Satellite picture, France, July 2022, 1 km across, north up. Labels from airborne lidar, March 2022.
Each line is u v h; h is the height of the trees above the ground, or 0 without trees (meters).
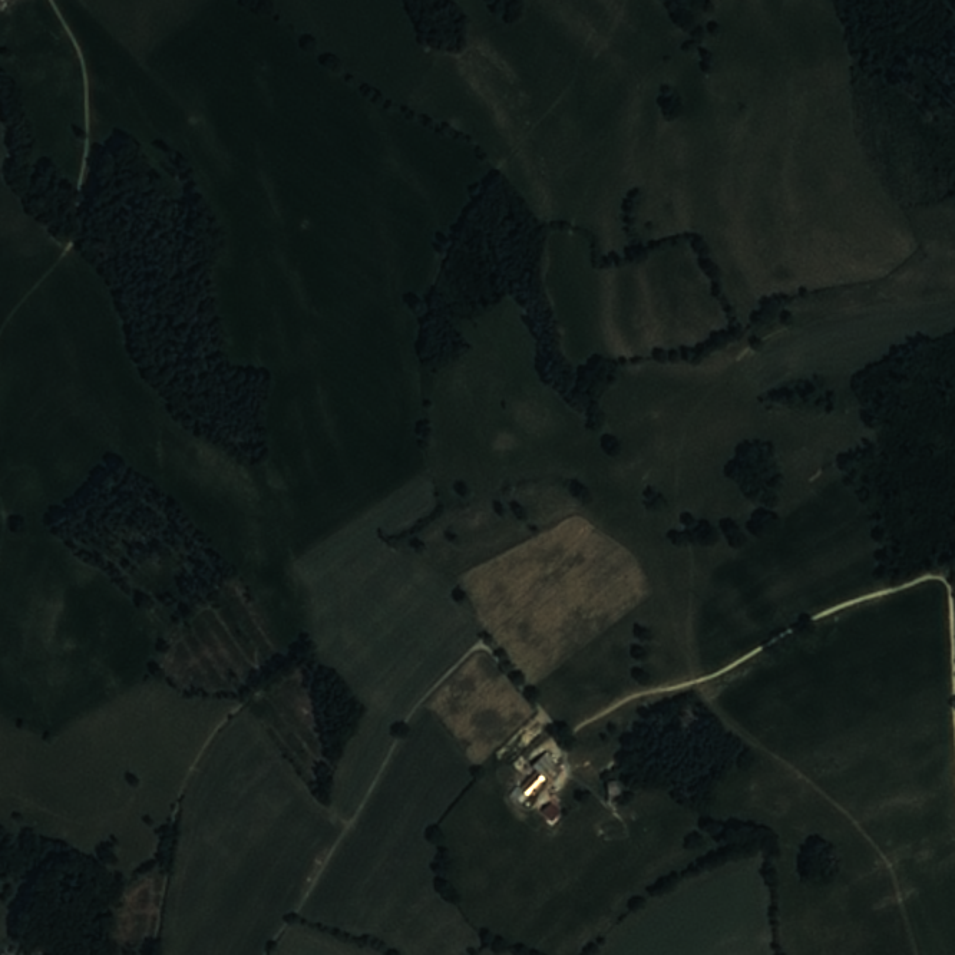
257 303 0
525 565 0
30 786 0
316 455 0
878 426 22
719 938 0
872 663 0
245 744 0
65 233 20
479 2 0
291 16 0
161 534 24
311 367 0
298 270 0
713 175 0
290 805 0
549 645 0
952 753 0
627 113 0
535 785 0
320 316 0
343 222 0
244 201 0
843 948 0
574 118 0
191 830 0
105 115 0
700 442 0
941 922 0
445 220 0
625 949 0
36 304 0
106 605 0
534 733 0
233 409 26
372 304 0
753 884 0
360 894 0
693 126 0
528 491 0
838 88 0
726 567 0
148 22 0
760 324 17
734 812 0
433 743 0
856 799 0
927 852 0
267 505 0
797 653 0
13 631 0
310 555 0
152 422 0
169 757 0
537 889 0
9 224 0
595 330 0
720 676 0
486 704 0
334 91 0
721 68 0
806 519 0
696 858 0
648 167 0
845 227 0
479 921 0
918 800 0
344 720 19
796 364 0
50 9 0
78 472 0
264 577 0
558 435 0
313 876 0
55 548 0
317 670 20
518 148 0
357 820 0
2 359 0
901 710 0
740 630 0
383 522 0
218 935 0
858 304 0
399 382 0
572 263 0
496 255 16
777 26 0
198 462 0
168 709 0
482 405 0
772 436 0
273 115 0
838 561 0
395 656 0
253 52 0
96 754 0
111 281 19
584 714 0
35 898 27
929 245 0
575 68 0
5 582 0
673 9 15
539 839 0
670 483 0
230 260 0
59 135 0
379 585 0
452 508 0
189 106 0
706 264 18
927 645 0
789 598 0
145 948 26
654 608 0
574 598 0
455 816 0
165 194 36
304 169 0
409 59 0
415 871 0
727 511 0
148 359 28
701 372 0
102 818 0
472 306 14
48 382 0
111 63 0
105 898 28
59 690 0
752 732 0
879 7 11
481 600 0
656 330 0
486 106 0
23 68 0
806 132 0
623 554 0
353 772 0
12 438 0
